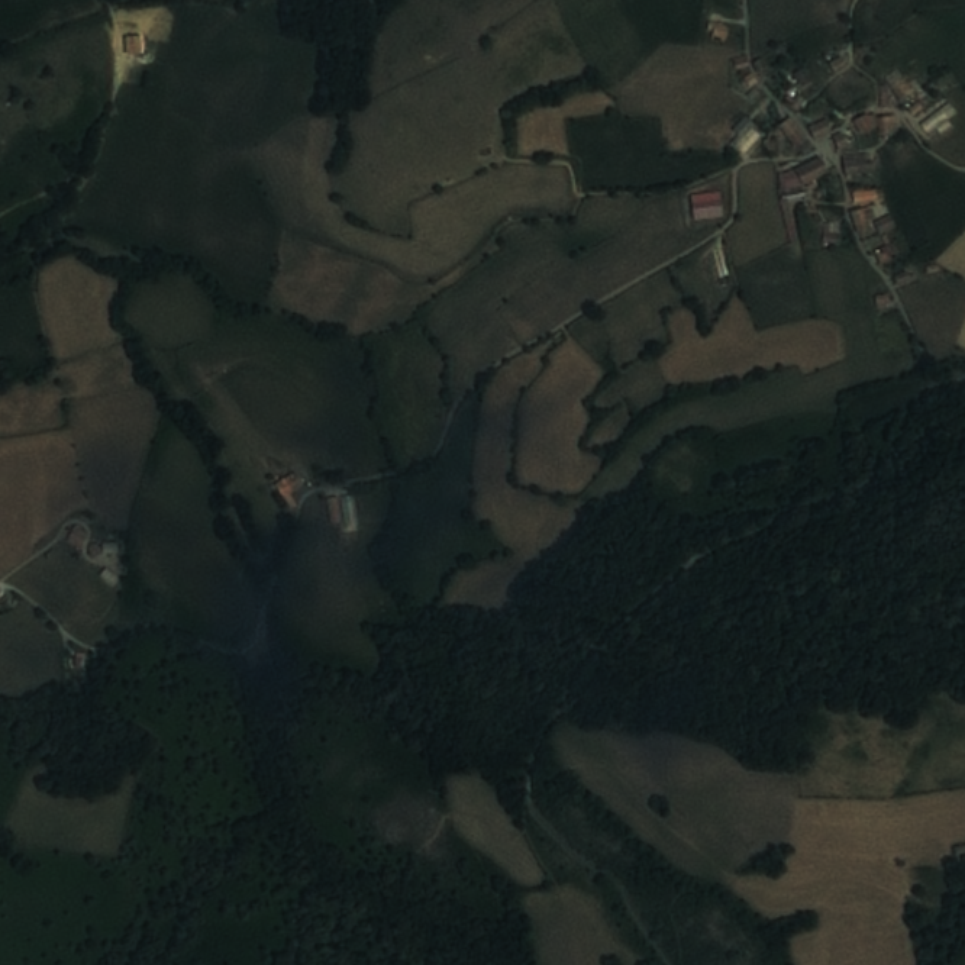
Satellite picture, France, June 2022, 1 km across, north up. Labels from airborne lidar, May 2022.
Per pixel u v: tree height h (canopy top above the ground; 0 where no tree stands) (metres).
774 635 13
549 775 10
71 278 0
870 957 0
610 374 7
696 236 0
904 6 0
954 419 20
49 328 0
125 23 0
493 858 0
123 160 0
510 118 11
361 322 0
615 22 0
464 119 0
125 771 18
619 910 10
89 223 0
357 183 0
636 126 0
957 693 21
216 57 0
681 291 6
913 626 21
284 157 0
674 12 0
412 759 0
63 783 24
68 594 0
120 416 0
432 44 0
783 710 19
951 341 0
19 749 12
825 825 0
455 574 9
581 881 0
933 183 0
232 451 0
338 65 20
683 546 17
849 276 0
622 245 0
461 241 0
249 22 0
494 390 0
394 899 15
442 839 0
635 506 22
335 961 17
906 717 26
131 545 6
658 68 0
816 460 14
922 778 0
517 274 0
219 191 0
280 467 0
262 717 16
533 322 0
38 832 0
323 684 15
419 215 0
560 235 0
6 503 0
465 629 17
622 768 0
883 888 0
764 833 0
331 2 20
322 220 0
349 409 0
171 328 0
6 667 0
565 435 0
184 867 13
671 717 12
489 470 0
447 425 0
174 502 0
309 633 0
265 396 0
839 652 11
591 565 16
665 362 0
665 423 0
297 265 0
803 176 0
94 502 0
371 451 0
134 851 9
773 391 0
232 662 10
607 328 0
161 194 0
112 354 0
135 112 0
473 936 15
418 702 22
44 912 0
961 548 23
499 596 0
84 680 8
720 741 6
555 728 12
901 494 19
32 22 0
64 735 14
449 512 0
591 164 0
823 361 0
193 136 0
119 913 0
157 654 0
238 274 0
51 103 0
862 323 0
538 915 0
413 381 0
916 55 0
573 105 0
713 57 0
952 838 0
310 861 12
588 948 0
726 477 10
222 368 0
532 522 0
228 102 0
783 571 9
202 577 0
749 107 0
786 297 0
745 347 0
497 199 0
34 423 0
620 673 16
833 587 19
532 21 0
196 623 0
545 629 16
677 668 13
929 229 0
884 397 0
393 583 19
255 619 0
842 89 0
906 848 0
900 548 26
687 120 0
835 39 0
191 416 19
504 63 0
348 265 0
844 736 0
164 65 0
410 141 0
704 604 13
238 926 0
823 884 0
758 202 0
